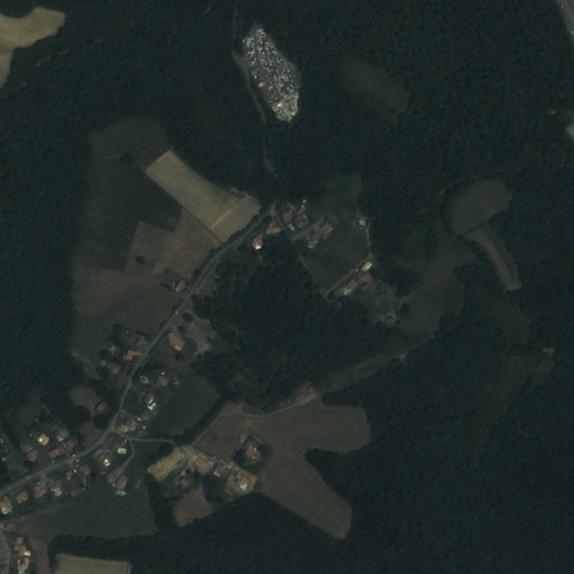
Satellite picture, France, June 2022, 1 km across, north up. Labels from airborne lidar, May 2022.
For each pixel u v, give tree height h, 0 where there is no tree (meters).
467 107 25
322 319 25
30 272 19
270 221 9
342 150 14
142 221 0
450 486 24
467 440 24
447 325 24
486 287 17
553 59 12
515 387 0
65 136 19
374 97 6
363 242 0
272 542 7
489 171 20
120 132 0
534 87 23
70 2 23
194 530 20
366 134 21
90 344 0
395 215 26
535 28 23
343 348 20
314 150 19
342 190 0
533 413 23
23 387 23
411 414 19
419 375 25
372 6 22
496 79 23
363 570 23
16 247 22
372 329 25
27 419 0
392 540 21
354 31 20
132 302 0
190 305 0
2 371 11
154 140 0
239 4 10
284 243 17
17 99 20
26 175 21
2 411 18
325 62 9
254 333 20
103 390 17
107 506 0
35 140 20
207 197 0
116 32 20
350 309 23
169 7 22
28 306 21
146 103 17
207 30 10
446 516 21
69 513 0
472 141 23
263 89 0
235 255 0
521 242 19
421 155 29
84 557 9
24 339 19
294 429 0
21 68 20
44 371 23
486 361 24
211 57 8
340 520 0
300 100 10
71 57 18
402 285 27
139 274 0
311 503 0
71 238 22
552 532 24
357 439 0
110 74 18
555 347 12
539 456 25
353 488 13
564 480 20
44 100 14
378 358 0
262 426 0
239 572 27
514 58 25
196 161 14
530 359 0
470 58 21
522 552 18
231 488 0
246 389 15
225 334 18
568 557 25
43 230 15
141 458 0
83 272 0
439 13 24
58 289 20
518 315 0
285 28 24
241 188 16
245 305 20
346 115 21
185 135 21
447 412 26
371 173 22
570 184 19
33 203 23
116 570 0
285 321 25
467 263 0
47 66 8
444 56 20
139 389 0
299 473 0
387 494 29
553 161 21
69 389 14
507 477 22
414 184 29
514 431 14
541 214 22
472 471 22
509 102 21
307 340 20
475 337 22
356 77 0
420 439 11
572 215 24
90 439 0
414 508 22
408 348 0
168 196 0
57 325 15
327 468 20
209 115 0
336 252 0
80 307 0
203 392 0
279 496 0
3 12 16
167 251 0
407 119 19
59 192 21
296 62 13
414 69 18
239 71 19
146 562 8
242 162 22
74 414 23
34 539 0
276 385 15
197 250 0
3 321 14
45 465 0
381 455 14
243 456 14
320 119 18
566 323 26
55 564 12
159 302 0
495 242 0
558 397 24
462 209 0
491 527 24
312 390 0
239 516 21
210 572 25
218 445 0
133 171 0
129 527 0
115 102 19
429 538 20
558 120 8
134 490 0
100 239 0
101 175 0
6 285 13
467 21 24
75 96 16
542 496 19
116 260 0
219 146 8
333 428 0
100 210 0
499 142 24
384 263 20
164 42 23
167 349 0
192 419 0
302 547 19
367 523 11
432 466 24
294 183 22
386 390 23
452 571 19
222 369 24
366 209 23
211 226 0
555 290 20
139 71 23
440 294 0
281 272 6
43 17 0
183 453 0
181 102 21
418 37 20
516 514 24
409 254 0
